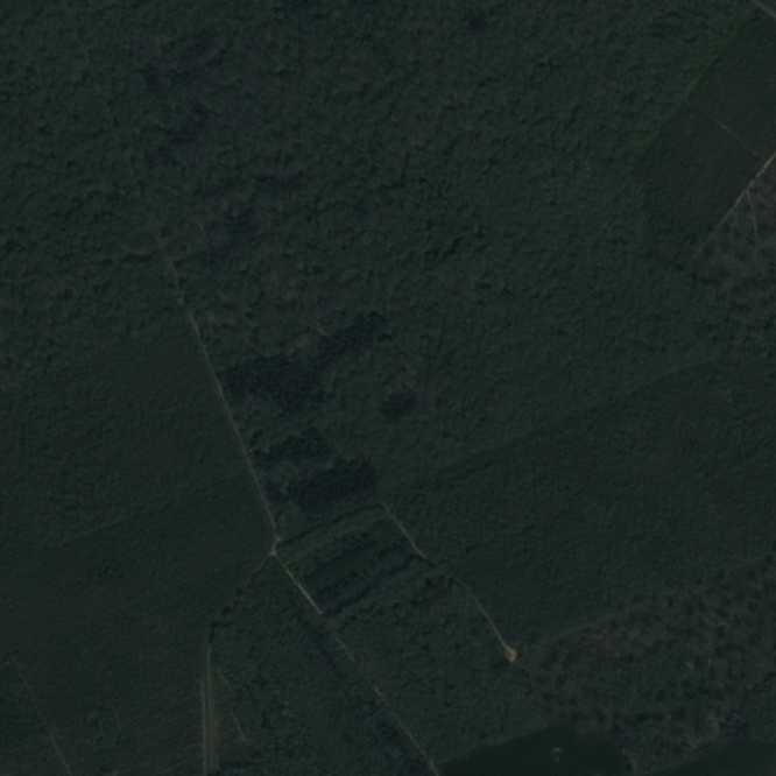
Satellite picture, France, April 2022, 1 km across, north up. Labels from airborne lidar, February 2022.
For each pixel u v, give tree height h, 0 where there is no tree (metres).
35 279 22
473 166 23
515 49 30
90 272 25
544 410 23
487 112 23
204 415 19
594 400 26
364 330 25
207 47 29
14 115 25
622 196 26
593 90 27
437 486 20
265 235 19
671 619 0
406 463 25
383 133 27
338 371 25
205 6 25
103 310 29
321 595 8
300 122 28
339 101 29
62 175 22
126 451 21
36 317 26
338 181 20
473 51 31
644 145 23
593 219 23
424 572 26
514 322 25
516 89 26
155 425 19
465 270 29
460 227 24
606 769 0
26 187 24
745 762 0
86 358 21
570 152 19
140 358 19
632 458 15
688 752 17
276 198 26
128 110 28
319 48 31
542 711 27
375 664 27
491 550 17
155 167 21
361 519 23
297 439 18
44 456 18
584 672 25
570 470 14
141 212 26
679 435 14
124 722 6
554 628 13
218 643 19
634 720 0
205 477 18
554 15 29
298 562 22
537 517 17
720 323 20
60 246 23
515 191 22
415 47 29
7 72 25
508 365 27
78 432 17
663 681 23
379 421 27
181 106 23
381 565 6
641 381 26
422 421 27
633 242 27
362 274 26
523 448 18
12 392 17
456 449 26
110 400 18
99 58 20
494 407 28
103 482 20
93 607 8
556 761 0
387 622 27
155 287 25
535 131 25
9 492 13
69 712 5
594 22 26
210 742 0
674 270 25
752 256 0
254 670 21
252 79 28
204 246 28
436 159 24
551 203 24
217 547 8
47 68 28
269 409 25
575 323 30
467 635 27
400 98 28
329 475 18
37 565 9
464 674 28
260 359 21
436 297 27
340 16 25
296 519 21
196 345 19
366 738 16
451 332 24
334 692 12
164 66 27
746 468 14
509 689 29
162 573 8
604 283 29
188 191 28
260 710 27
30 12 20
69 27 23
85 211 20
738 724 24
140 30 26
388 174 28
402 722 23
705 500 15
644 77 25
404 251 24
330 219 26
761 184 27
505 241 28
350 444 27
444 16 33
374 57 30
